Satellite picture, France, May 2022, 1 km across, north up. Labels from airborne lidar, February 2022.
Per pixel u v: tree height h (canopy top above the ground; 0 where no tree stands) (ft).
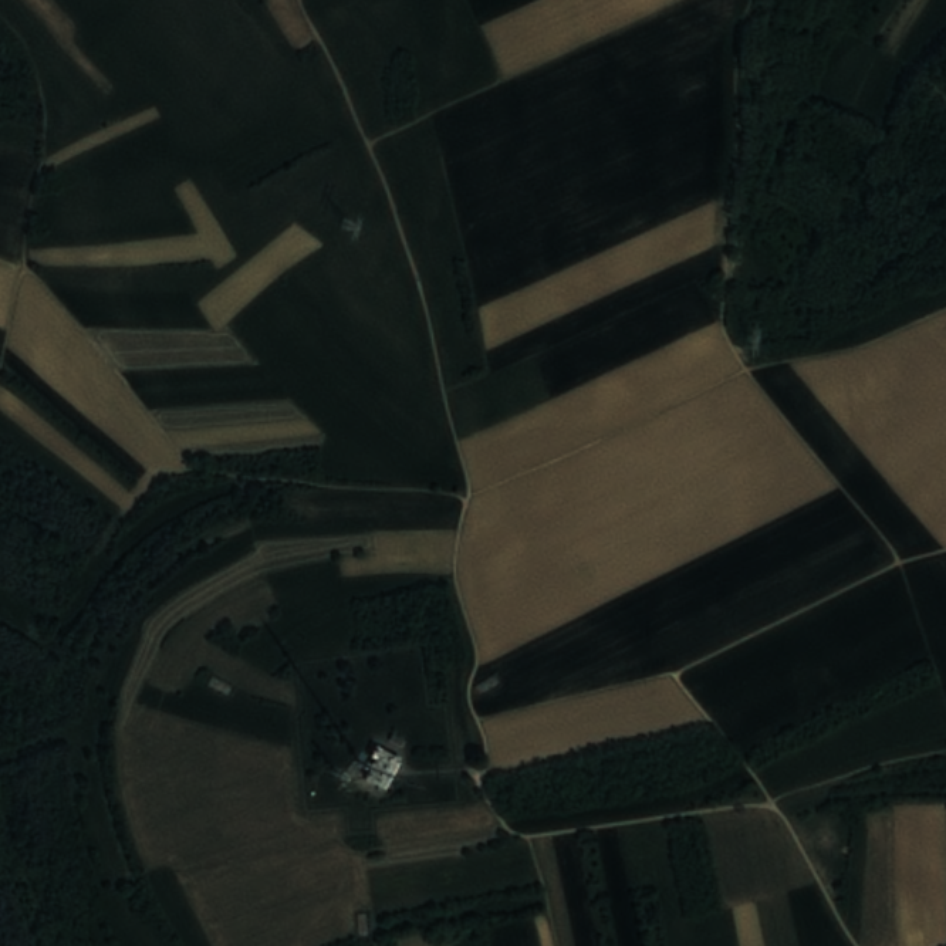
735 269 0
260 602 0
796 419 0
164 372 0
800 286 59
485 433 0
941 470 0
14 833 36
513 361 0
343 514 0
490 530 0
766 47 30
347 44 0
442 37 0
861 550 0
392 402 0
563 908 0
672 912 0
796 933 0
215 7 0
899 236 64
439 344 0
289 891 0
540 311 0
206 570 0
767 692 0
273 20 0
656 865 0
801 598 0
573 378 0
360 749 0
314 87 0
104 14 0
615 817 0
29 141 0
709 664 0
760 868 0
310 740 0
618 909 0
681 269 0
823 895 0
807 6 29
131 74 0
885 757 0
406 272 0
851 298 28
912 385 0
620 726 0
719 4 0
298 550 0
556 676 0
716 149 0
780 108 31
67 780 56
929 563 0
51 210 0
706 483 0
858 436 0
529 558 0
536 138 0
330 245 0
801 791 0
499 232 0
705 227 0
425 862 0
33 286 0
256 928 0
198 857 0
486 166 0
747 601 0
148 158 0
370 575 0
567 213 0
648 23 0
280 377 0
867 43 0
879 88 0
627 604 0
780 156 55
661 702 0
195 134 0
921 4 0
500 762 0
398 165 0
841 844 0
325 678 31
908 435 0
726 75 0
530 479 0
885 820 0
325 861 0
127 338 0
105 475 0
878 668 0
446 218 0
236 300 0
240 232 0
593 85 0
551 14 0
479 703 0
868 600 0
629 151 0
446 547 0
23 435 0
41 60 0
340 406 0
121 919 0
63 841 43
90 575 0
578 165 0
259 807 0
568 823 0
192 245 0
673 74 0
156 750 0
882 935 0
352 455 0
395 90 32
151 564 52
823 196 79
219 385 0
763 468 0
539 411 0
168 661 0
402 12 0
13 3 0
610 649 0
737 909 0
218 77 0
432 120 0
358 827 0
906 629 0
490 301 0
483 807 0
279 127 0
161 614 0
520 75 0
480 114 0
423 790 0
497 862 0
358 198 0
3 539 60
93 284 0
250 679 0
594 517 0
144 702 0
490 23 0
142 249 0
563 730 0
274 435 0
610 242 0
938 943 0
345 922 0
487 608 0
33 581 64
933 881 0
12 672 54
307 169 0
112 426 0
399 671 0
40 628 57
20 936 47
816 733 30
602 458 0
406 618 42
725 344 0
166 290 0
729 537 0
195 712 0
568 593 0
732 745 42
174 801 0
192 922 0
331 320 0
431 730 0
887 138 45
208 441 0
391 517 0
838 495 0
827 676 0
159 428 0
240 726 0
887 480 0
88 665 47
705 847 37
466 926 39
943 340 0
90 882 27
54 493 61
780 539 0
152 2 0
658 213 0
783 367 0
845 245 73
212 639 26
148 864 0
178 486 18
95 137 0
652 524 0
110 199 0
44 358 0
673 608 0
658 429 0
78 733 0
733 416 0
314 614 0
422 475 0
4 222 0
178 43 0
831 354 0
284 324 0
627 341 0
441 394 0
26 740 36
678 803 0
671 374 0
